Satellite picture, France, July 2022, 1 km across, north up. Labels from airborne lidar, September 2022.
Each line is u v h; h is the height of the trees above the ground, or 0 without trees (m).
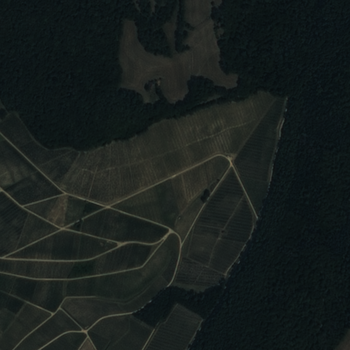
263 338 21
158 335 0
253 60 33
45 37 22
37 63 20
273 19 25
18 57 22
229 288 24
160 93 18
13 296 0
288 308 19
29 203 0
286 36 31
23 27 20
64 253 0
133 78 0
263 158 0
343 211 18
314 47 29
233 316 16
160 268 0
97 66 22
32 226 0
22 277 0
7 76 27
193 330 0
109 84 26
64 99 25
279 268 27
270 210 19
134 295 0
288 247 32
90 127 21
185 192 0
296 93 21
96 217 0
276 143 0
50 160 0
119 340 0
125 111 17
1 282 0
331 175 16
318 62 18
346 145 17
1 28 22
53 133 24
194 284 0
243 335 21
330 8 27
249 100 0
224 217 0
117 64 20
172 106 17
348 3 23
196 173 0
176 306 0
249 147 0
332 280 15
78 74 24
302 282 20
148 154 0
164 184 0
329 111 17
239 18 32
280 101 0
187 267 0
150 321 16
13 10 26
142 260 0
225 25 18
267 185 0
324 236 21
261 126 0
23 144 0
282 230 21
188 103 17
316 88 19
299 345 15
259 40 21
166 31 0
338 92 13
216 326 17
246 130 0
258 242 20
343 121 18
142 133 13
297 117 15
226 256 0
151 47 19
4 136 0
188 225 0
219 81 0
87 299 0
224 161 0
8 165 0
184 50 17
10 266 0
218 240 0
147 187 0
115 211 0
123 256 0
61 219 0
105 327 0
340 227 12
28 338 0
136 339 0
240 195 0
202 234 0
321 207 15
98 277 0
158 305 17
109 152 0
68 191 0
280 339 17
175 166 0
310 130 17
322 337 20
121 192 0
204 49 0
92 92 25
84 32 24
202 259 0
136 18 23
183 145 0
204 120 0
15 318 0
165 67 0
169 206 0
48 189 0
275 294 18
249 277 16
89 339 0
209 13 0
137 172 0
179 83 0
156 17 20
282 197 15
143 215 0
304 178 20
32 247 0
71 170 0
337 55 22
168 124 0
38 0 19
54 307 0
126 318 0
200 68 0
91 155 0
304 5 28
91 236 0
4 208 0
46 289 0
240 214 0
